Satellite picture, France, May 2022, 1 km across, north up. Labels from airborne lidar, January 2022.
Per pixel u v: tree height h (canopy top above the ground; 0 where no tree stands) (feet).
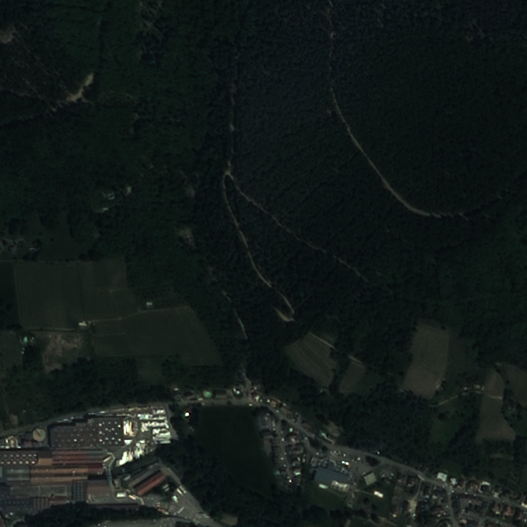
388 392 33
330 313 66
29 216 52
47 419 27
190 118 62
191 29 58
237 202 70
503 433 0
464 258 37
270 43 76
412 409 63
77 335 0
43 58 87
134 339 0
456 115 67
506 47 91
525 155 79
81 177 68
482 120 88
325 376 0
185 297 38
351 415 24
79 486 0
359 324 39
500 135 84
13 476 0
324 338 0
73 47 72
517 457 63
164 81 79
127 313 0
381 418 19
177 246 86
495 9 90
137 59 66
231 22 0
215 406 0
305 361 0
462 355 0
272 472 0
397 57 61
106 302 0
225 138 59
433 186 52
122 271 0
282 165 45
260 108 61
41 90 74
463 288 45
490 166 89
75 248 0
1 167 64
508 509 0
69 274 0
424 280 59
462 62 71
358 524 0
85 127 62
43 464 0
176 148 68
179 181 58
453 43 68
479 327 52
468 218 63
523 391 0
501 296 60
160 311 0
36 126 88
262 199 55
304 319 73
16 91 66
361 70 66
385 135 59
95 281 0
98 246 59
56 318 0
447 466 0
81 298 0
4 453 0
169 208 70
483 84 84
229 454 0
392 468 0
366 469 0
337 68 61
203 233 65
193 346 0
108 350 0
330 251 58
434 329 0
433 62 43
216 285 56
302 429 0
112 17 92
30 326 0
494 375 0
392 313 55
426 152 56
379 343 33
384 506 0
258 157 58
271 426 0
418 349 0
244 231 64
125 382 18
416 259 61
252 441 0
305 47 72
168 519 0
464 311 48
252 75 72
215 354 0
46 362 42
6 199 76
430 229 53
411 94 46
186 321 0
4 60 55
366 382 0
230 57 91
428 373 0
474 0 83
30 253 19
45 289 0
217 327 46
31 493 0
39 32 74
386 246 49
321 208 54
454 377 0
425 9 65
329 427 0
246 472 0
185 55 96
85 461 0
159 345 0
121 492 0
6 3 61
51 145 79
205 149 99
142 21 76
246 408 0
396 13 66
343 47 73
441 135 47
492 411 0
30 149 74
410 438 18
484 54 80
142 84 72
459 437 53
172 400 30
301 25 78
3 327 39
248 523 54
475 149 71
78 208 64
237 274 48
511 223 70
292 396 0
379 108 49
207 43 97
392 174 66
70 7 97
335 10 80
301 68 69
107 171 82
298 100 48
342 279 62
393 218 62
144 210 68
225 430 0
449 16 51
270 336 67
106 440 0
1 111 77
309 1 80
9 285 0
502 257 56
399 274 31
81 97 0
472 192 61
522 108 102
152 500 0
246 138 65
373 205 64
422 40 52
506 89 94
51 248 0
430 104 38
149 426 0
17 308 0
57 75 73
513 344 62
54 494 0
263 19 97
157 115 68
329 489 0
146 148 71
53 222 55
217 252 65
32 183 80
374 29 68
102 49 89
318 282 79
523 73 88
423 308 95
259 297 50
